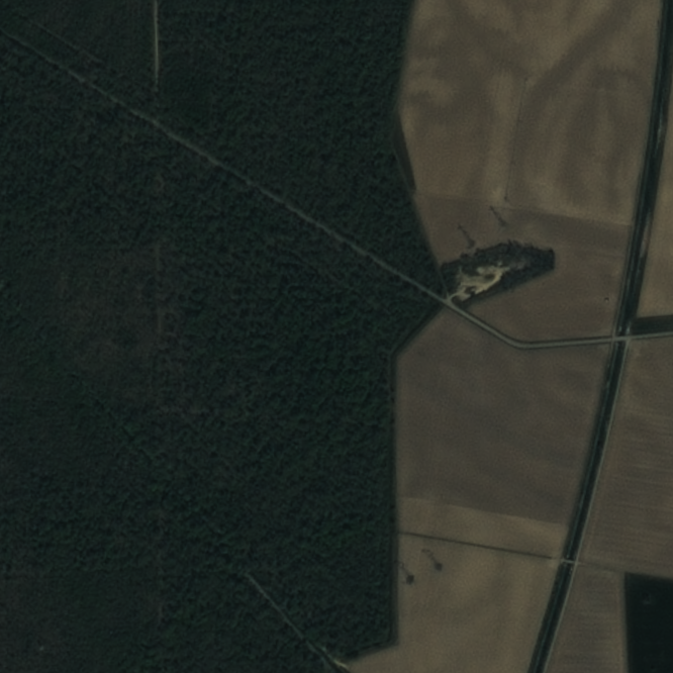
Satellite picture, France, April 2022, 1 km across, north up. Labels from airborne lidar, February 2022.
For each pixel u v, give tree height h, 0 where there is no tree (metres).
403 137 0
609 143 0
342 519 18
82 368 13
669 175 0
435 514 0
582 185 0
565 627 0
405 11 12
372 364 15
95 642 12
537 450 0
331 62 11
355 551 15
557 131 0
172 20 16
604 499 0
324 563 20
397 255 12
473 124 0
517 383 0
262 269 17
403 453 0
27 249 8
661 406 0
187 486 18
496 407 0
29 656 11
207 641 12
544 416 0
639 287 0
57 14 10
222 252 14
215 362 19
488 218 0
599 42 0
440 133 0
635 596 0
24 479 10
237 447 17
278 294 17
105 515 19
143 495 19
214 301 17
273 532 11
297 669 10
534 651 0
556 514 0
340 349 10
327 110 14
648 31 0
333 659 16
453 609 0
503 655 0
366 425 14
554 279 0
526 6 0
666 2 0
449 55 0
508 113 0
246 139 12
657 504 0
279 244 12
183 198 16
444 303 0
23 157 11
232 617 17
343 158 14
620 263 0
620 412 0
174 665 18
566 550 0
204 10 8
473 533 0
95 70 15
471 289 7
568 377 0
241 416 11
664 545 0
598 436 0
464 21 0
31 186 15
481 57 0
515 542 0
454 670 0
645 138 0
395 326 17
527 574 0
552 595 0
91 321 8
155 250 8
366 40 15
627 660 0
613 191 0
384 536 13
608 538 0
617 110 0
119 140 13
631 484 0
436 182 0
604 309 0
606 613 0
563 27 0
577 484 0
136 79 9
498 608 0
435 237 0
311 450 21
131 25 12
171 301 12
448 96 0
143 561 18
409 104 0
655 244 0
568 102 0
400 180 10
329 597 16
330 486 17
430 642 0
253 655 16
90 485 13
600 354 0
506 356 0
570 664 0
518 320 0
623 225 0
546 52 0
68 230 12
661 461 0
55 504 19
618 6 0
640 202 0
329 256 16
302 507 11
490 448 0
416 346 0
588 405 0
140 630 9
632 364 0
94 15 11
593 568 0
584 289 0
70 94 13
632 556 0
